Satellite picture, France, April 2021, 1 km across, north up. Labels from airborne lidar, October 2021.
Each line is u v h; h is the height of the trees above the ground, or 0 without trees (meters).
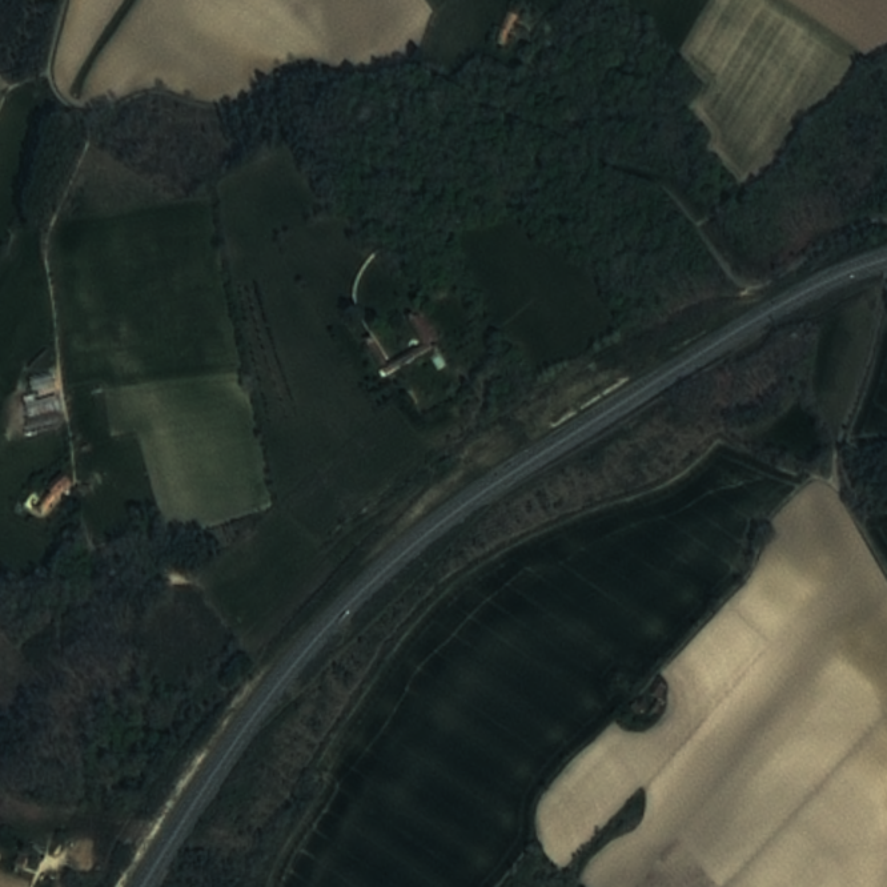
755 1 0
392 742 0
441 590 8
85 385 0
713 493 0
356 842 0
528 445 0
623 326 19
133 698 20
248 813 8
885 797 0
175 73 0
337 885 0
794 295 0
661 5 0
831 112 15
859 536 0
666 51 24
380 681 0
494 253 0
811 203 23
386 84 24
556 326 0
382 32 0
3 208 0
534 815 0
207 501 0
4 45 15
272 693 0
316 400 0
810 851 0
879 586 0
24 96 0
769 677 0
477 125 24
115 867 7
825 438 19
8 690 0
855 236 22
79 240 0
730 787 0
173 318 0
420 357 6
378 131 25
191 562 17
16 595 23
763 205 22
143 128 12
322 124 25
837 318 0
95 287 0
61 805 16
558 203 22
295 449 0
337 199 25
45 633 7
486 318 8
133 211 0
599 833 8
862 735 0
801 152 17
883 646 0
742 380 16
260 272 0
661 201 21
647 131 19
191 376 0
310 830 0
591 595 0
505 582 0
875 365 0
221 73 0
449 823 0
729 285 16
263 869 16
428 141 27
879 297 0
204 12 0
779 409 21
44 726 15
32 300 0
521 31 12
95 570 16
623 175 18
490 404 18
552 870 9
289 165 0
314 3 0
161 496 0
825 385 0
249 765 13
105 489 0
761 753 0
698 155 22
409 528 0
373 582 0
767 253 13
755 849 0
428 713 0
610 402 0
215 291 0
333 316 0
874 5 0
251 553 0
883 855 0
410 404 10
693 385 16
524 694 0
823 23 0
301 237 0
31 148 0
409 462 0
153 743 20
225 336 0
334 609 0
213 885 14
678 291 24
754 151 0
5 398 0
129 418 0
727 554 0
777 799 0
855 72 12
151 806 7
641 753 0
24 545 0
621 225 21
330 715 0
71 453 7
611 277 26
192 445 0
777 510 0
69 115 15
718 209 21
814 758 0
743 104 0
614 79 19
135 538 21
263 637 0
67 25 0
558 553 0
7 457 0
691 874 0
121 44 0
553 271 0
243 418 0
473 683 0
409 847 0
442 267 23
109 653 24
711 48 0
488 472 0
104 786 18
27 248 0
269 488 11
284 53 0
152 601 20
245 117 21
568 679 0
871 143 20
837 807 0
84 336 0
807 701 0
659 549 0
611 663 0
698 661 0
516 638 0
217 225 6
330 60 0
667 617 0
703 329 18
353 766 0
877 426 0
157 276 0
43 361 0
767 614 0
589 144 23
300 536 0
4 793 21
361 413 0
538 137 26
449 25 0
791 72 0
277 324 0
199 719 12
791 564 0
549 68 26
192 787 0
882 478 18
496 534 0
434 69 18
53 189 32
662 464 6
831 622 0
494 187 28
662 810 0
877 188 22
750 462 0
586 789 0
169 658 0
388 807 0
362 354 6
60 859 0
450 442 10
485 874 0
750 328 0
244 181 0
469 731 0
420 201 22
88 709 18
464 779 0
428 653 0
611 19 20
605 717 0
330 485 0
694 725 0
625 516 0
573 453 0
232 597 0
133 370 0
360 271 0
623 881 0
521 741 0
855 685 0
